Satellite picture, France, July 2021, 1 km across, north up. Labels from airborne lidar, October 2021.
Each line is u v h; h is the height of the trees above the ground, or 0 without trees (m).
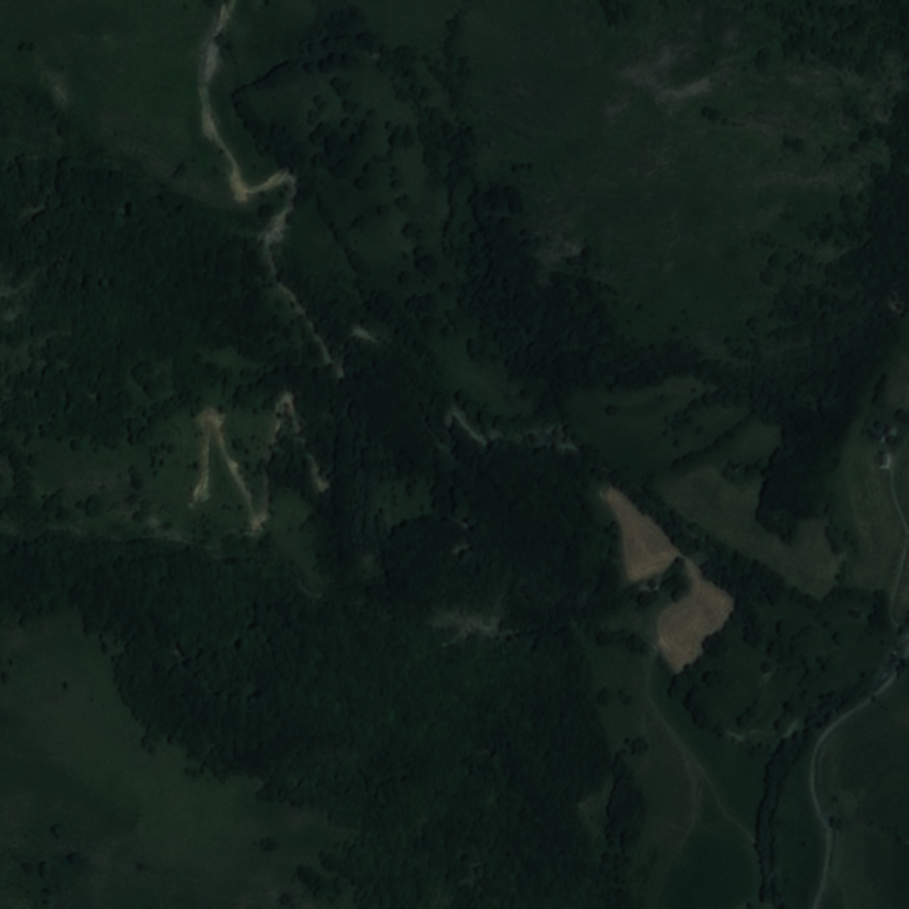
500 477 19
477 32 0
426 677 25
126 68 0
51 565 27
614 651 0
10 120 0
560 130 0
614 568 21
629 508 0
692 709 23
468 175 18
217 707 25
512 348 23
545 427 10
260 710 28
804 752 14
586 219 0
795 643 8
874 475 0
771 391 21
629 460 0
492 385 0
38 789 0
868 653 0
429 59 8
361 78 0
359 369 22
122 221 31
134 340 15
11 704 0
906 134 16
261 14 0
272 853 14
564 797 29
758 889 0
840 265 13
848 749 0
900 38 12
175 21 0
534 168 13
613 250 0
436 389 9
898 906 0
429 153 11
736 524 0
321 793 20
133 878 0
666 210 0
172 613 24
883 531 0
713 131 0
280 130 13
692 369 17
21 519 24
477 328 7
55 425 20
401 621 26
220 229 22
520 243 11
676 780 0
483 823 25
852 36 18
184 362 6
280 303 6
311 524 8
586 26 0
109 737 0
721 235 0
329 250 0
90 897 0
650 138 0
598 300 9
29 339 14
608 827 7
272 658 29
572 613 20
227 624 32
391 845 24
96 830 0
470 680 19
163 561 24
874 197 20
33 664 0
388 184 0
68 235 28
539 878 24
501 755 25
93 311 14
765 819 17
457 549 31
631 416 0
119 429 28
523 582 19
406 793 23
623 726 0
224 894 0
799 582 0
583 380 19
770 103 0
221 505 0
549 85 0
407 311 7
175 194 8
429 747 31
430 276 16
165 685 23
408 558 27
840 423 26
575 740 28
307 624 34
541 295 15
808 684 6
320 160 19
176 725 17
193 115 0
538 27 0
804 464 18
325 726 19
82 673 0
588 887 24
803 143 17
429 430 19
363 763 24
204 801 0
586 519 7
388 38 0
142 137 0
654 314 6
